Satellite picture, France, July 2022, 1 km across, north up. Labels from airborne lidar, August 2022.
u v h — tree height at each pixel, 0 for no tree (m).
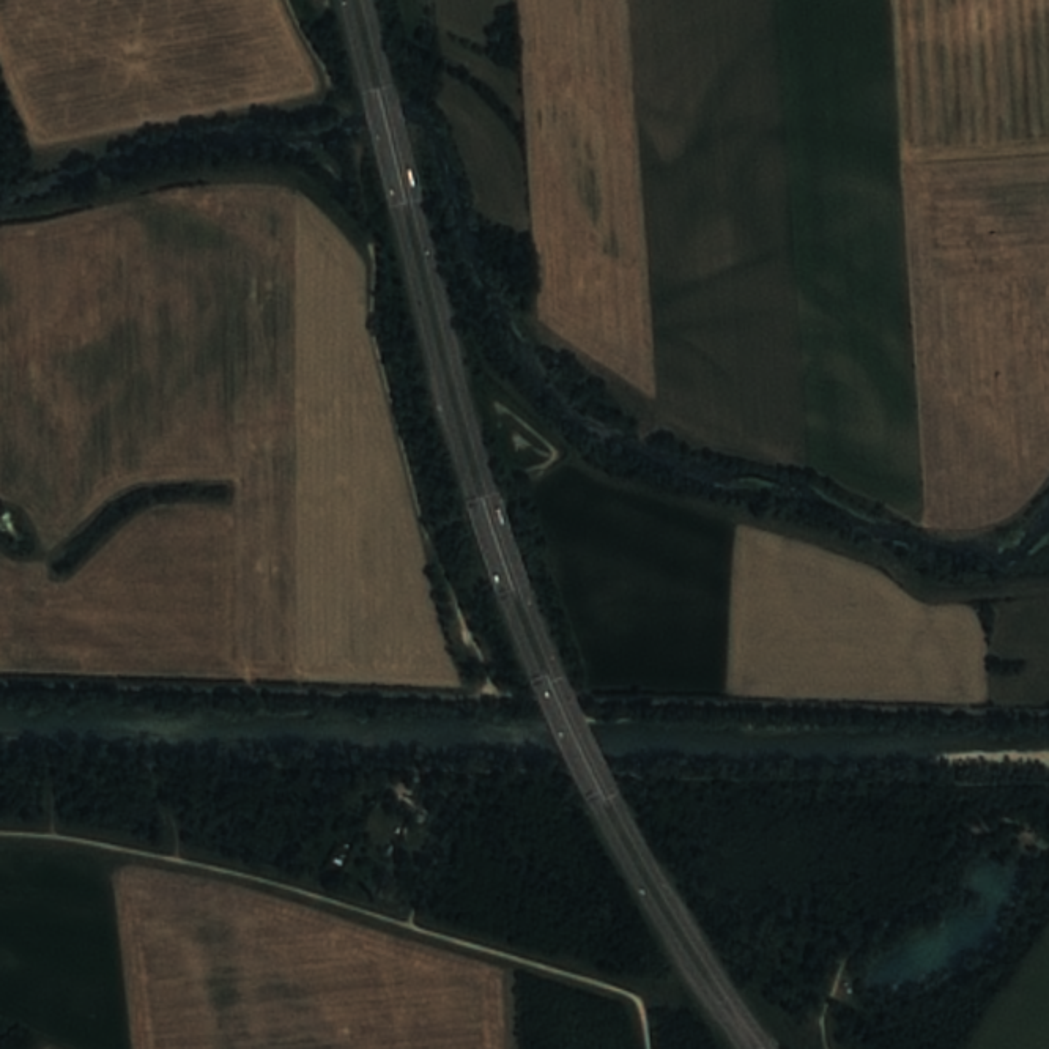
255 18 0
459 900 15
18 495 0
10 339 0
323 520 0
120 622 0
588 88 0
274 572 0
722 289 0
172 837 0
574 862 10
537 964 0
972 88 0
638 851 0
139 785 22
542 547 12
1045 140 0
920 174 0
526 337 0
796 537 0
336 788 30
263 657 0
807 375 0
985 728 9
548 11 0
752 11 0
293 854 20
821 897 9
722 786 12
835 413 0
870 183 0
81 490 0
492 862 15
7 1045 6
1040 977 0
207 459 0
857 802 12
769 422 0
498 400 0
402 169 0
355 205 21
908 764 19
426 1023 0
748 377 0
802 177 0
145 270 0
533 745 0
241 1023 0
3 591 0
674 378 0
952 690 0
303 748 21
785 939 7
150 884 0
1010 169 0
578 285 0
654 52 0
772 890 10
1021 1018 0
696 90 0
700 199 0
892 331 0
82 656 0
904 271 0
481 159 0
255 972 0
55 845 0
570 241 0
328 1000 0
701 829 10
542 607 8
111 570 0
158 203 0
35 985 0
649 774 23
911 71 0
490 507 0
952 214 0
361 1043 0
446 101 0
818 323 0
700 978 0
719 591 0
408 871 18
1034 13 0
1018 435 0
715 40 0
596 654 0
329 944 0
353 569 0
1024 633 0
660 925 0
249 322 0
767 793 10
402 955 0
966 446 0
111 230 0
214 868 0
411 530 0
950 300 0
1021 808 10
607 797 0
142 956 0
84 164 17
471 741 0
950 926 0
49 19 0
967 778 13
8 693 21
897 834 7
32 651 0
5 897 0
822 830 6
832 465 0
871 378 0
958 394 0
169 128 10
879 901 7
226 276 0
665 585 0
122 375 0
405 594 0
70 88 0
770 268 0
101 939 0
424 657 0
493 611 8
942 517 0
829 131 0
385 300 9
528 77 0
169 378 0
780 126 0
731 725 10
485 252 16
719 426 0
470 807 14
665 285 0
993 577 14
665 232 0
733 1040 0
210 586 0
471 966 0
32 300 0
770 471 6
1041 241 0
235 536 0
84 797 10
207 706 16
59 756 22
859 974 8
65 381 0
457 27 0
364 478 0
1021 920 12
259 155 24
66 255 0
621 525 0
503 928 13
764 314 0
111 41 0
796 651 0
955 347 0
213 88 0
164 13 0
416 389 13
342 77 21
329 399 0
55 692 15
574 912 10
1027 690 0
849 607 0
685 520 0
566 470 0
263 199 0
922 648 0
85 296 0
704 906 7
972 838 22
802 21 0
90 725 0
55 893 0
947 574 13
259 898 0
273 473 0
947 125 0
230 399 0
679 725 12
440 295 0
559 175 0
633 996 0
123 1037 0
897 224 0
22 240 0
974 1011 8
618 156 0
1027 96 0
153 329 0
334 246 0
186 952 0
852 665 0
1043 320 0
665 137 0
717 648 0
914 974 0
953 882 18
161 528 0
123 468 0
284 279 0
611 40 0
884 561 0
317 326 0
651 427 0
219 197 0
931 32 0
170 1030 0
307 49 0
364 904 0
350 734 0
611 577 0
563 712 0
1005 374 0
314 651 0
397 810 13
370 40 0
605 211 0
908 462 0
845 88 0
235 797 17
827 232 0
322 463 0
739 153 0
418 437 19
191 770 27
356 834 6
